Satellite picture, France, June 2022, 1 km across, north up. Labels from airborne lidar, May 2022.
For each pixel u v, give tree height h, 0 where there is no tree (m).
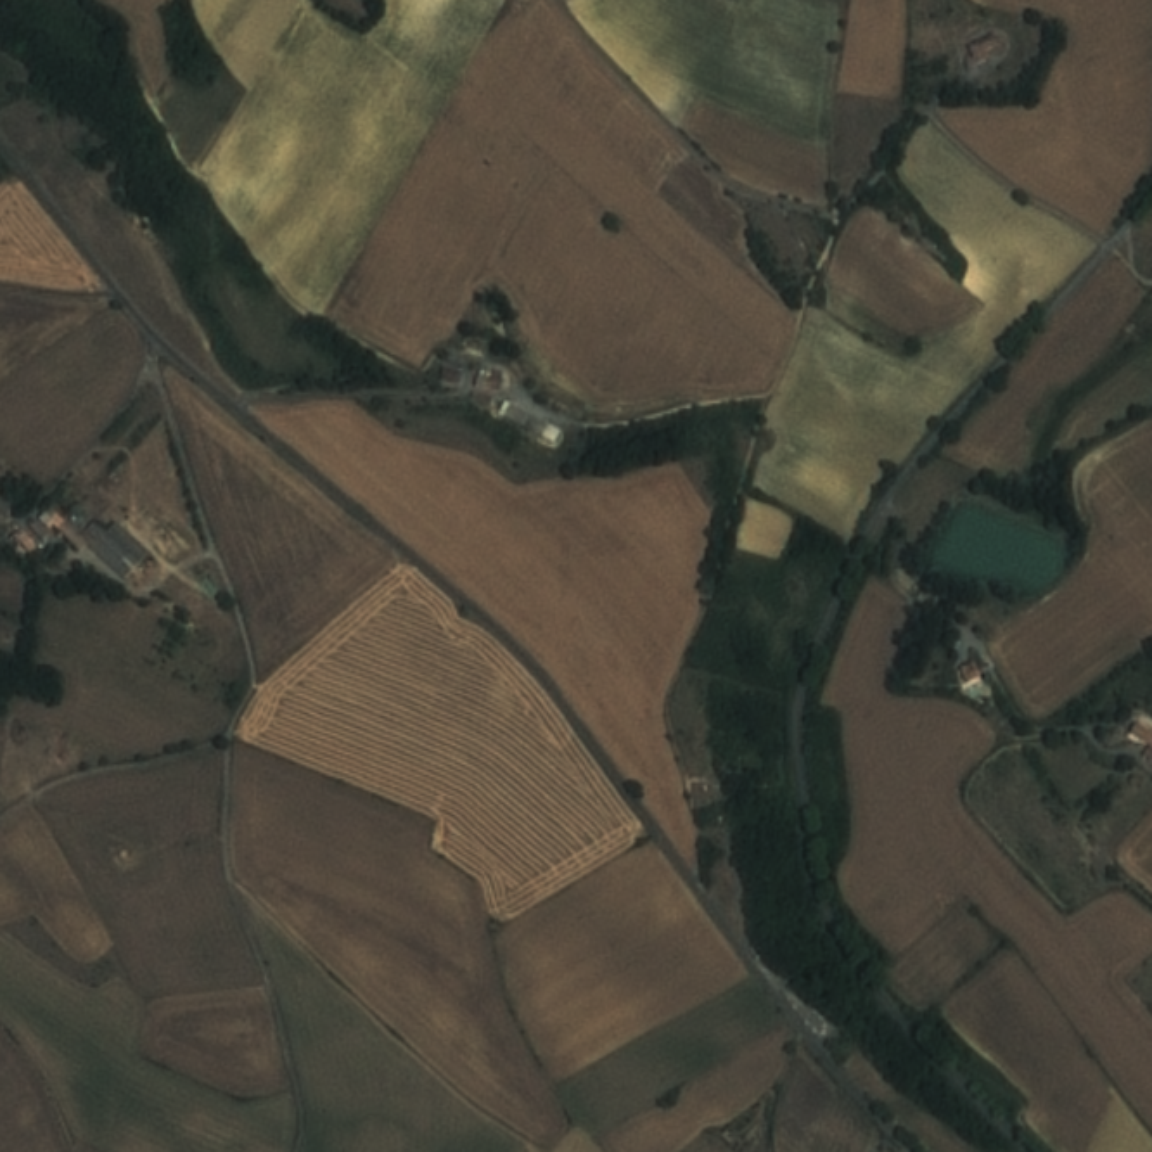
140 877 0
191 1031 0
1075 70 0
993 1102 15
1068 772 0
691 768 0
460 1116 0
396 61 0
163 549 0
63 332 0
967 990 0
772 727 7
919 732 0
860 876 0
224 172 0
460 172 0
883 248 0
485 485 0
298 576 0
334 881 0
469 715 0
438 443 0
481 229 0
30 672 18
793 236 0
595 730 0
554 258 0
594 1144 0
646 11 0
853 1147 0
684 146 0
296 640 0
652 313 0
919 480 0
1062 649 0
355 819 0
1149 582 0
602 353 0
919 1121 0
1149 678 0
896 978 0
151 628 0
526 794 0
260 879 0
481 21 0
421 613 0
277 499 0
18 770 0
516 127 0
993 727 0
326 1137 0
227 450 0
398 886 0
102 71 17
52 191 0
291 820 0
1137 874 0
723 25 0
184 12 10
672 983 0
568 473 14
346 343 13
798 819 12
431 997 0
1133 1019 0
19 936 0
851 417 0
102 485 0
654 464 9
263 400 0
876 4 0
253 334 0
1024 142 0
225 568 0
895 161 15
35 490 7
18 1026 0
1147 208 20
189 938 0
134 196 10
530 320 0
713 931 0
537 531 0
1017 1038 0
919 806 0
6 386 0
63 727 0
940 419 9
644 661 0
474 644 0
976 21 0
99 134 7
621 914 0
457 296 0
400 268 0
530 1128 0
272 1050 0
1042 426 0
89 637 0
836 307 0
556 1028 0
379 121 0
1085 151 0
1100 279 0
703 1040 0
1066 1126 0
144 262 0
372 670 0
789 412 0
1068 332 0
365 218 0
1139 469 0
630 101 0
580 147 0
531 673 0
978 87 12
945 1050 21
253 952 0
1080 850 0
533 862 0
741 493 7
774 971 7
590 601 0
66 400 0
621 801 0
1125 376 0
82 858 0
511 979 0
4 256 0
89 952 0
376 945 0
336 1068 0
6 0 15
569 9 0
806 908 10
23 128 0
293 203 0
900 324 0
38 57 15
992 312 0
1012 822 0
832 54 10
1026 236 0
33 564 6
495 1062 0
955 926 0
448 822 0
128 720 0
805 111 0
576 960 0
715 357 0
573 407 0
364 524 0
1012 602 9
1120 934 0
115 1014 0
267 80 0
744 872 12
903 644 22
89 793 0
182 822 0
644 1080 0
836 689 0
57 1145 0
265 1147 0
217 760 0
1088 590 0
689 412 9
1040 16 17
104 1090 0
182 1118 0
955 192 0
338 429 0
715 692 5
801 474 0
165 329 0
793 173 0
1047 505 16
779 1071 0
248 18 0
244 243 8
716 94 0
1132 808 0
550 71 0
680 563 0
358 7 0
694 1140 0
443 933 0
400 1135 0
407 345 0
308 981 0
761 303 0
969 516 0
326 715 0
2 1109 0
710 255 0
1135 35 0
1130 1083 0
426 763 0
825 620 0
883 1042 13
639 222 0
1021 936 0
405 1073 0
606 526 0
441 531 0
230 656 0
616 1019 0
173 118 0
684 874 0
